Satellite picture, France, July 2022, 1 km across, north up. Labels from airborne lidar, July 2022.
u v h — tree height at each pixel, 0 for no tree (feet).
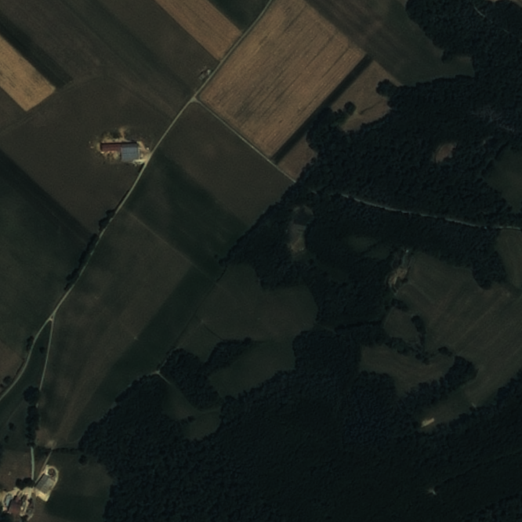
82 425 0
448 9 89
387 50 0
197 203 0
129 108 0
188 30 0
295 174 0
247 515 79
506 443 72
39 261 0
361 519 33
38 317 0
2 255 0
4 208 0
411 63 0
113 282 0
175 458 85
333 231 35
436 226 52
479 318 0
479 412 55
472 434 64
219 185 0
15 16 0
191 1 0
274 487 28
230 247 0
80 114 0
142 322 0
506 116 77
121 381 0
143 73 0
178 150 0
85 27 0
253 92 0
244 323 0
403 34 0
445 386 49
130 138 0
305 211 0
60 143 0
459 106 79
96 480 0
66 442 0
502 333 0
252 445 33
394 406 89
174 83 0
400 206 36
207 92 0
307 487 42
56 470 0
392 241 32
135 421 61
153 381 38
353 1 0
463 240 55
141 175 0
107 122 0
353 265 53
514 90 63
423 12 75
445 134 77
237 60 0
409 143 71
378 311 49
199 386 59
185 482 79
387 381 68
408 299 0
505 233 0
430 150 68
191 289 0
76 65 0
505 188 0
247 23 0
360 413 24
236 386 0
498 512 93
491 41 79
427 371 0
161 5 0
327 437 52
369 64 0
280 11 0
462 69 0
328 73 0
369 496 48
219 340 0
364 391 65
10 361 0
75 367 0
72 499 0
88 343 0
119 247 0
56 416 0
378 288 61
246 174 0
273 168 0
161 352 0
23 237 0
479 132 66
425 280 0
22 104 0
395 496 36
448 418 0
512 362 0
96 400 0
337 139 95
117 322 0
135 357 0
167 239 0
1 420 0
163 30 0
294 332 0
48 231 0
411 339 0
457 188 63
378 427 77
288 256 72
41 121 0
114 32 0
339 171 86
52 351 0
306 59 0
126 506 93
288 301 0
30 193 0
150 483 75
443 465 73
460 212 70
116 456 100
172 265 0
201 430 0
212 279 0
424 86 49
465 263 36
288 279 75
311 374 31
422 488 25
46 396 0
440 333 0
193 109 0
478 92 77
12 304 0
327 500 49
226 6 0
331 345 58
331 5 0
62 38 0
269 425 48
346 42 0
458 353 0
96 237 40
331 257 63
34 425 79
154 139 0
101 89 0
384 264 36
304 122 0
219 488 79
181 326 0
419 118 89
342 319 73
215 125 0
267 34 0
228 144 0
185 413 0
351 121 0
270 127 0
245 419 73
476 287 0
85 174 0
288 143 0
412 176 72
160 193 0
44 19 0
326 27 0
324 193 80
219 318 0
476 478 49
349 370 65
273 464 33
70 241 0
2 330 0
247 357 0
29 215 0
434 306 0
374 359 0
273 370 0
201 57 0
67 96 0
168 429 55
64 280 0
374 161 58
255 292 0
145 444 72
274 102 0
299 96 0
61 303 0
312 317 0
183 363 38
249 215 0
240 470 54
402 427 83
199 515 84
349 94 0
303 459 28
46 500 0
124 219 0
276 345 0
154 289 0
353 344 72
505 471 37
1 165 0
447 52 30
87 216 0
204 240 0
